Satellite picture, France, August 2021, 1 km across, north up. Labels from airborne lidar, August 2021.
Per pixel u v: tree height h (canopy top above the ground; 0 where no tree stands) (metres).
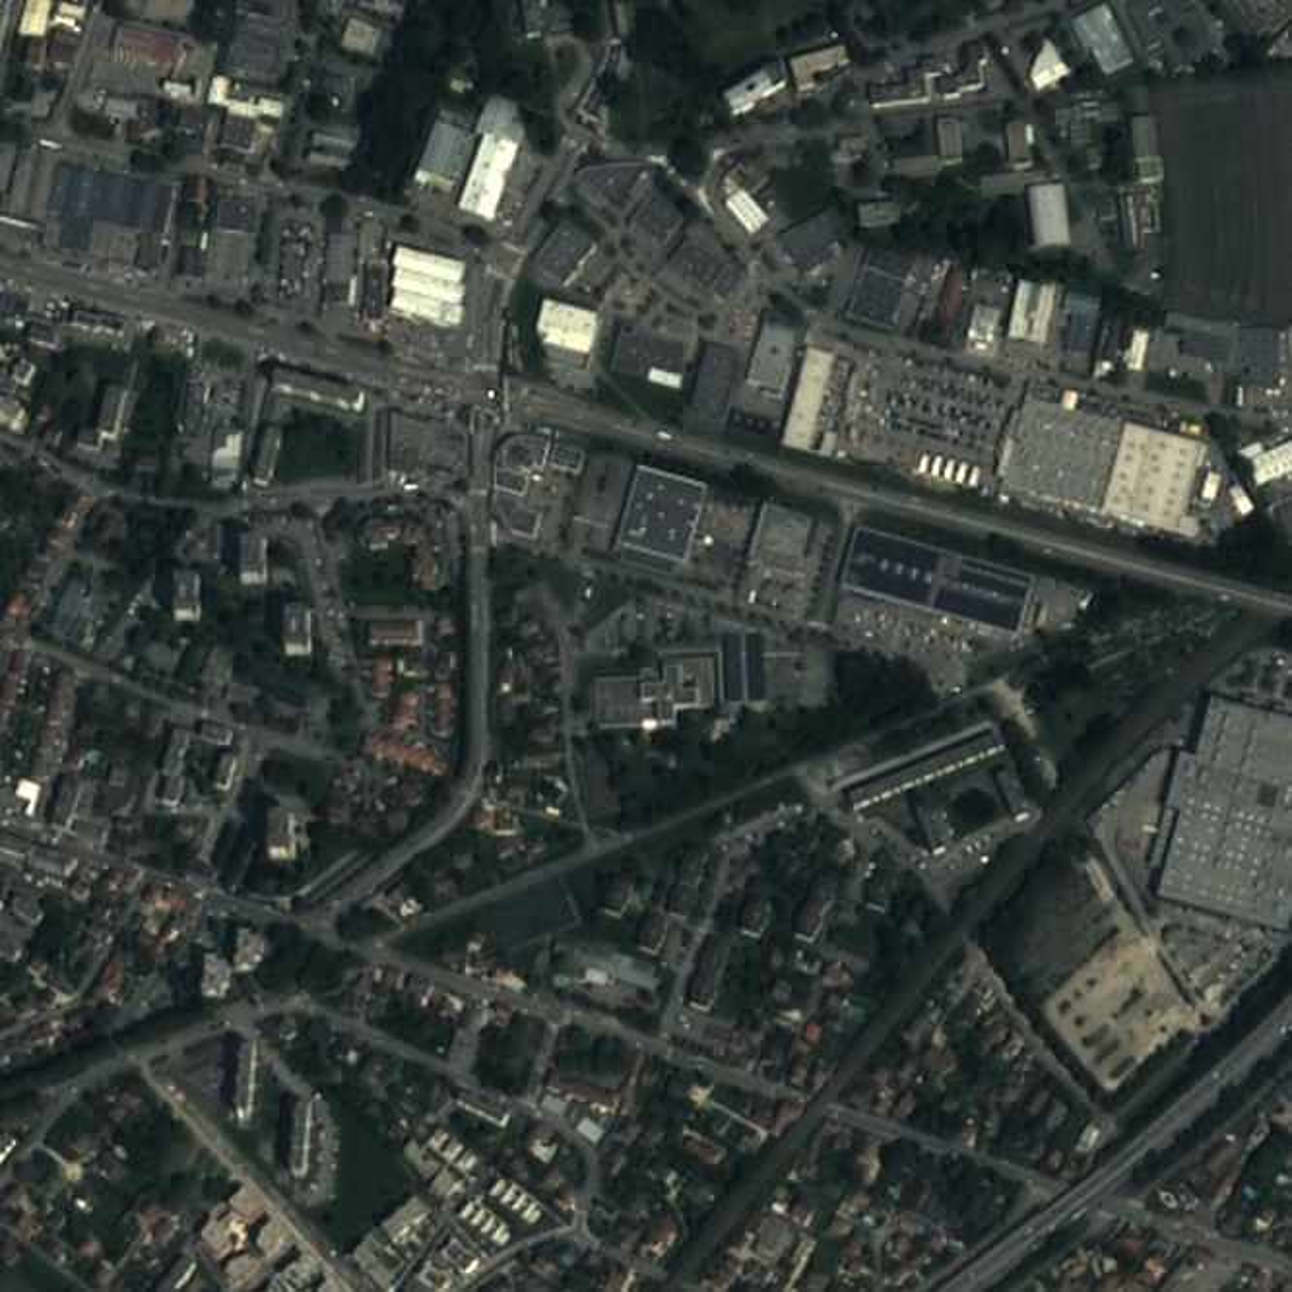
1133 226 0
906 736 9
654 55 29
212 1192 13
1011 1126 12
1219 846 0
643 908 0
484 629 0
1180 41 17
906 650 0
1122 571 0
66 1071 18
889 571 0
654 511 0
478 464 0
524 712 9
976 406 0
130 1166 6
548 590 0
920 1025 0
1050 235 0
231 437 0
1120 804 0
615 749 17
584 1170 6
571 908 0
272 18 0
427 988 0
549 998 0
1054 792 8
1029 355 0
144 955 7
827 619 0
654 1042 0
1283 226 0
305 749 0
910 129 0
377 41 0
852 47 13
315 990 13
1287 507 0
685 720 14
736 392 0
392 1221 0
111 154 0
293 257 0
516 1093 12
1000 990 0
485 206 0
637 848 0
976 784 0
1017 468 0
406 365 0
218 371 0
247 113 0
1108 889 0
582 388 0
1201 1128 13
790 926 9
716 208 0
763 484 9
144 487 9
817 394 0
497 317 0
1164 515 0
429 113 10
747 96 0
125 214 0
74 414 8
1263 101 0
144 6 0
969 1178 23
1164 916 0
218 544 0
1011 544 11
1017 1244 0
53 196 0
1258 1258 0
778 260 0
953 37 0
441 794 15
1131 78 0
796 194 0
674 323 0
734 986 8
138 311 0
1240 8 0
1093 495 0
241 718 12
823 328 0
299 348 0
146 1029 18
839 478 0
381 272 0
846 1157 7
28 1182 9
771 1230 0
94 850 0
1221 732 0
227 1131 0
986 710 12
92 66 0
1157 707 0
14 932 0
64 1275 0
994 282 0
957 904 7
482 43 19
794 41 18
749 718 14
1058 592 0
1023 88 11
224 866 13
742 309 0
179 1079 0
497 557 9
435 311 0
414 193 0
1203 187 0
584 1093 0
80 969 11
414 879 14
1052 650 8
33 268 0
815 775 0
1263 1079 14
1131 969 0
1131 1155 0
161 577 0
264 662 13
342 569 0
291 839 0
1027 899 7
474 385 0
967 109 0
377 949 0
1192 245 0
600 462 0
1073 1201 0
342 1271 0
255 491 0
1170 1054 9
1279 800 0
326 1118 0
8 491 7
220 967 0
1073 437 0
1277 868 0
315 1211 0
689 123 10
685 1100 9
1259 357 0
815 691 0
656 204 0
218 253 0
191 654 11
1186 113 0
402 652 9
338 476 0
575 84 0
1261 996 19
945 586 0
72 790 0
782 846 15
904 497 0
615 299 0
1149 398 0
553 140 9
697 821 0
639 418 0
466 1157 0
